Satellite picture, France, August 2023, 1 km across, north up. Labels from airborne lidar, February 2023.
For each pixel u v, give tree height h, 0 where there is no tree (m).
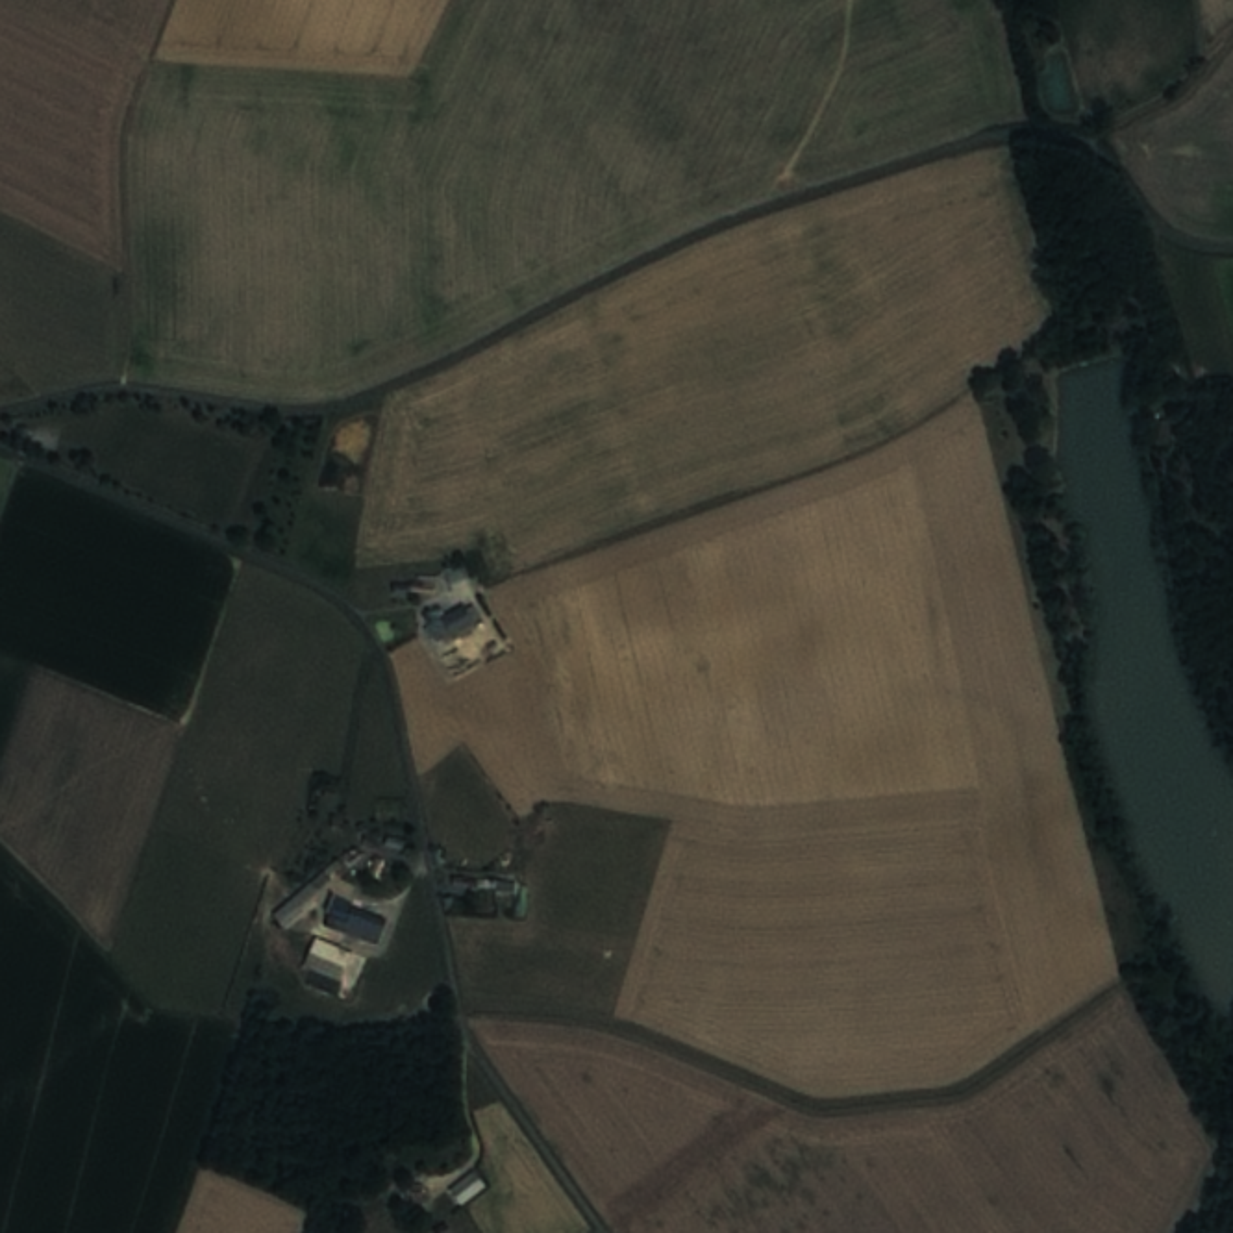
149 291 0
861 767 0
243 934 0
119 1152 0
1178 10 0
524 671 0
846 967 0
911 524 0
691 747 0
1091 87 0
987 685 0
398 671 0
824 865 0
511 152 0
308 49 0
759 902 0
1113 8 0
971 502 0
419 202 0
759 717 0
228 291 0
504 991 0
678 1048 0
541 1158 0
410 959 0
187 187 0
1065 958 0
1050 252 23
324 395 0
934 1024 0
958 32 0
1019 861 0
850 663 0
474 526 0
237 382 0
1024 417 16
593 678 0
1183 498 19
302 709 0
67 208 0
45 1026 0
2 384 0
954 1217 0
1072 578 10
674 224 0
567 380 0
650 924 0
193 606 0
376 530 0
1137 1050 0
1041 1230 0
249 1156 20
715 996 0
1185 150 0
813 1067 0
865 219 0
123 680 0
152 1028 0
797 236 0
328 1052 20
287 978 0
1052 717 0
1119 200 22
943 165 0
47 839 0
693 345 0
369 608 0
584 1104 0
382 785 0
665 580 0
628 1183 0
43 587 0
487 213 0
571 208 0
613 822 0
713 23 0
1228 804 0
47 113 0
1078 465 0
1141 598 0
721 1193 0
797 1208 0
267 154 0
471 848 0
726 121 0
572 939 0
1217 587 19
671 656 0
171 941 0
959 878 0
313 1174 16
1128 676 0
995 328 0
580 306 0
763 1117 0
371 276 0
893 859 0
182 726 0
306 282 0
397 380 0
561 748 0
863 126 0
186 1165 0
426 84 0
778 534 0
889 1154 0
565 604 0
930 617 0
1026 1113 0
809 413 0
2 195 0
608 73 0
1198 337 0
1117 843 10
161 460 0
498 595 0
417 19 0
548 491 0
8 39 0
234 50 0
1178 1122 0
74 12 0
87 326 0
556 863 0
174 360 0
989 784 0
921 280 0
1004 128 0
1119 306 17
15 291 0
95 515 0
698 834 0
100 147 0
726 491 0
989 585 0
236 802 0
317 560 0
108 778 0
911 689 0
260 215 0
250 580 0
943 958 0
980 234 0
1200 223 0
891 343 0
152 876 0
